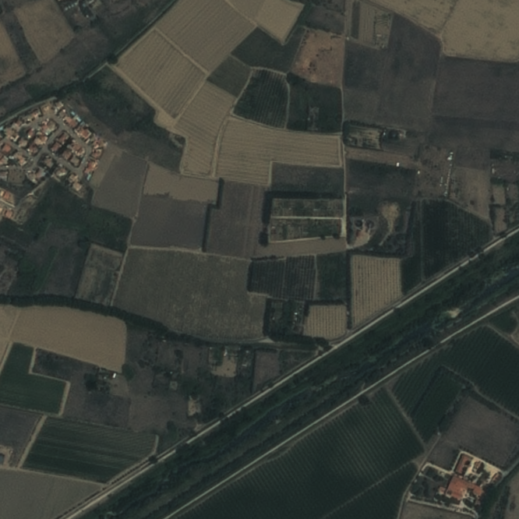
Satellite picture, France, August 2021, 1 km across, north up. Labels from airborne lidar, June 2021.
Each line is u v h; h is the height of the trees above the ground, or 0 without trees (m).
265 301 0
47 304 25
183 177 0
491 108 0
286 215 0
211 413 8
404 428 6
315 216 0
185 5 0
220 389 8
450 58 0
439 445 0
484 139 0
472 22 0
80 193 0
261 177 0
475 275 0
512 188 0
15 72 0
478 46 0
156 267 0
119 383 0
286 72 0
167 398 0
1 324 0
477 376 7
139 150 0
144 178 0
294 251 0
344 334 0
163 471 6
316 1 8
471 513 9
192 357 0
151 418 0
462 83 0
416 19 0
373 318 0
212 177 0
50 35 0
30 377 0
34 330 0
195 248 0
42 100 10
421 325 9
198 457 10
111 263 0
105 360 0
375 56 0
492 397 6
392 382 0
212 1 0
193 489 9
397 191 0
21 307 20
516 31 0
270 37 0
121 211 0
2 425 0
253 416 6
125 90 0
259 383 0
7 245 13
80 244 13
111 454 0
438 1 0
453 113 0
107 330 0
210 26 0
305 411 0
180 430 6
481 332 5
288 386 7
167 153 0
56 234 0
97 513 6
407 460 6
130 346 0
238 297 0
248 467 0
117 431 0
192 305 0
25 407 0
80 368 0
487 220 0
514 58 0
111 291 0
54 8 0
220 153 0
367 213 0
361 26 0
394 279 0
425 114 0
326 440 6
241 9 0
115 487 0
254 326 0
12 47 0
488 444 0
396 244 8
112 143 0
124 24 0
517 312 0
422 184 0
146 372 0
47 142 0
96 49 0
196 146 0
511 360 7
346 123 9
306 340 19
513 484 0
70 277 0
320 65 0
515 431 0
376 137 0
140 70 0
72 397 0
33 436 0
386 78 0
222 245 0
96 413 0
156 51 0
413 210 10
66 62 0
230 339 0
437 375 11
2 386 0
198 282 0
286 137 0
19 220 0
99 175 0
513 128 0
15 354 0
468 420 0
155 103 0
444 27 0
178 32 0
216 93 0
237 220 0
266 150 0
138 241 0
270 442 9
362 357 6
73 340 0
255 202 0
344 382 6
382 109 0
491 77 0
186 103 0
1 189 0
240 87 0
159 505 0
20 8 0
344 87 0
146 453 0
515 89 0
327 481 6
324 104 0
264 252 0
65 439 0
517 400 6
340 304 15
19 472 0
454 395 7
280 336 16
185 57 0
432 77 0
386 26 0
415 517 0
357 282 0
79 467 0
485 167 0
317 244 0
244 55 0
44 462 0
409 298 0
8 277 0
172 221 0
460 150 0
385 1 0
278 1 0
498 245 0
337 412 0
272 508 6
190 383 0
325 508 6
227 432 9
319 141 0
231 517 6
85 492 0
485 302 6
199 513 6
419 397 6
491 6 0
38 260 0
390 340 11
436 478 7
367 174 0
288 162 0
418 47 0
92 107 0
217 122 0
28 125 0
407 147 0
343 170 0
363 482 6
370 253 12
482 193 0
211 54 0
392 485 6
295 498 6
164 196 0
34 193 0
